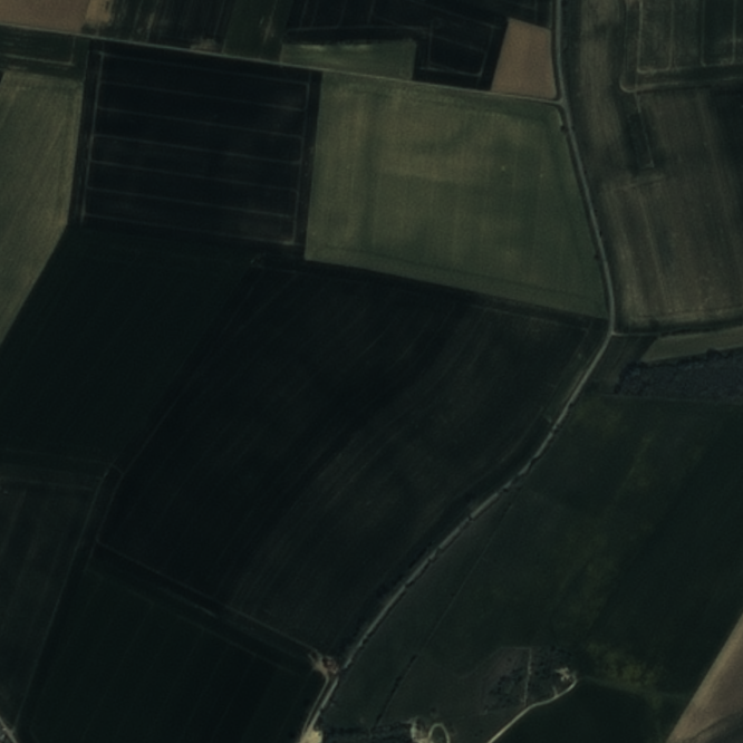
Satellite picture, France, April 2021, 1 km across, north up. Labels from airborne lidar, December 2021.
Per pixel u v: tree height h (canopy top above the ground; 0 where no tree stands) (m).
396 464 0
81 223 0
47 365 0
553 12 0
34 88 0
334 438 0
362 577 0
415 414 0
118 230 0
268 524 0
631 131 0
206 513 0
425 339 0
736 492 0
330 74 0
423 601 0
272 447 0
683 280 0
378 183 0
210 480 0
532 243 0
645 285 0
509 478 0
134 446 0
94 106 0
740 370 8
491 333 0
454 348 0
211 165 0
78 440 0
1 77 0
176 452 0
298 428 0
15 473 0
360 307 0
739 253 0
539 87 0
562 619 0
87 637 0
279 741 0
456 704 0
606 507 0
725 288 0
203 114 0
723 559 0
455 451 0
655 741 0
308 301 0
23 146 0
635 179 0
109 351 0
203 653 0
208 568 0
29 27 0
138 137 0
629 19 0
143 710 0
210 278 0
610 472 0
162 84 0
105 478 0
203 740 0
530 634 0
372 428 0
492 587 0
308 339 0
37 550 0
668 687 0
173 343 0
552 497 0
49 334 0
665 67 0
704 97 0
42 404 0
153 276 0
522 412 0
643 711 0
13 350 0
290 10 0
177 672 0
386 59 0
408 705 0
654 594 0
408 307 0
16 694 0
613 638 0
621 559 0
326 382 0
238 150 0
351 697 0
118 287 0
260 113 0
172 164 0
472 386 0
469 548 0
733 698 0
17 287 0
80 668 0
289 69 0
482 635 0
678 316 0
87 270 0
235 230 0
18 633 0
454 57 0
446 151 0
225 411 0
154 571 0
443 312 0
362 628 11
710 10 0
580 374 0
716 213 0
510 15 0
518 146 0
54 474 0
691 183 0
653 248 0
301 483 0
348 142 0
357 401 0
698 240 0
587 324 0
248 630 0
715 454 0
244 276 0
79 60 0
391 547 0
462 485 0
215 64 0
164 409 0
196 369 0
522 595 0
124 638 0
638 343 0
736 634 0
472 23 0
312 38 0
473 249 0
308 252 0
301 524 0
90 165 0
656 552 0
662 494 0
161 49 0
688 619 0
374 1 0
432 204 0
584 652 0
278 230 0
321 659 0
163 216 0
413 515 0
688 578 0
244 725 0
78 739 0
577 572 0
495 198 0
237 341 0
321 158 0
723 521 0
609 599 0
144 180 0
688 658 0
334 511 0
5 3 0
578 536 0
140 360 0
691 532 0
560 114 0
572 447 0
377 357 0
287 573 0
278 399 0
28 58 0
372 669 0
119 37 0
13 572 0
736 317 0
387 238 0
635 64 0
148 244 0
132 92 0
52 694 0
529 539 0
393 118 0
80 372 0
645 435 0
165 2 0
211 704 0
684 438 0
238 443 0
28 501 0
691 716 0
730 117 0
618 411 0
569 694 0
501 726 0
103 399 0
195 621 0
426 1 0
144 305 0
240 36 0
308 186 0
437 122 0
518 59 0
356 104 0
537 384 0
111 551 0
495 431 0
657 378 8
